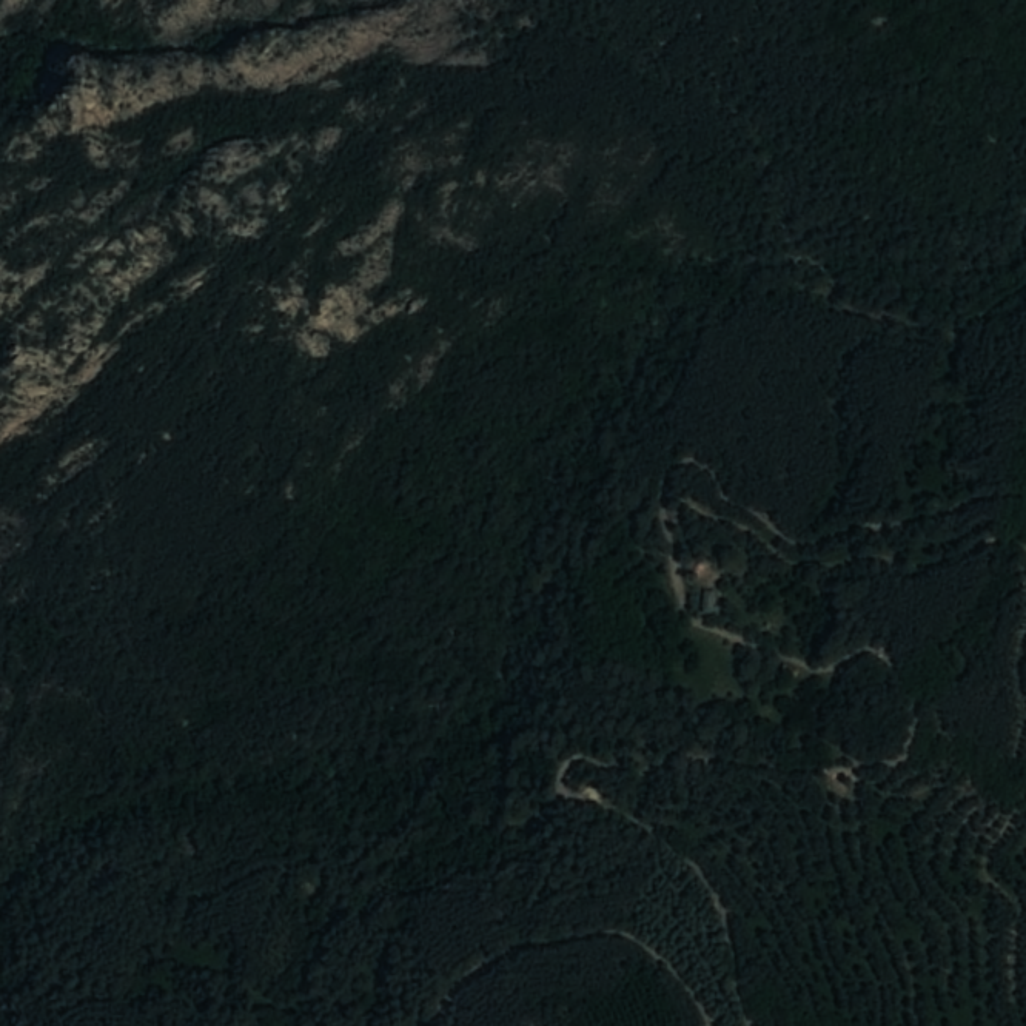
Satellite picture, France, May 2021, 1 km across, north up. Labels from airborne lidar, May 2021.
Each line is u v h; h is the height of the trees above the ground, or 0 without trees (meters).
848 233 21
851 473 15
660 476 16
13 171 13
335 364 7
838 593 29
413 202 6
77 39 17
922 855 22
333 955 38
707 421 26
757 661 21
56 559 16
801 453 25
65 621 21
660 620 22
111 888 41
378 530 17
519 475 15
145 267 7
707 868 19
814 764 13
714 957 20
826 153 6
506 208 6
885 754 22
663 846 22
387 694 19
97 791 31
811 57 20
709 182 14
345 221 12
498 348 20
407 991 30
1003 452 20
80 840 19
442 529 18
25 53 20
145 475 18
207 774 28
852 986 20
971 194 7
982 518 22
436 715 13
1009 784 16
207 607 14
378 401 14
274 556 17
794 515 27
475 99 21
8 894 24
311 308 7
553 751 25
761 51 11
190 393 17
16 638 21
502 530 23
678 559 10
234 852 24
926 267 21
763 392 22
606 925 22
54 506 19
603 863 26
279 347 12
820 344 23
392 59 6
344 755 27
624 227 6
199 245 17
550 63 23
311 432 13
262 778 21
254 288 7
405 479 21
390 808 29
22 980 16
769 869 15
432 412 16
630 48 16
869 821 22
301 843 20
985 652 20
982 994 19
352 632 16
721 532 26
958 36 17
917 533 27
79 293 7
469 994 20
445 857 14
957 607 21
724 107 11
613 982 21
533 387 22
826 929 18
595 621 23
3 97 14
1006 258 28
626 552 20
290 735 19
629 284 28
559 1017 12
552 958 22
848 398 24
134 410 15
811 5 23
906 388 24
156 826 33
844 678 15
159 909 30
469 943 22
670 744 17
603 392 16
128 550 15
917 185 6
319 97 13
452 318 6
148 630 18
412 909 16
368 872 22
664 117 13
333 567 18
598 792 26
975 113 12
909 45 22
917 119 17
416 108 6
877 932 10
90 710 10
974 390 15
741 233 26
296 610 20
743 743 22
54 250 9
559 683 19
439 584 24
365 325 9
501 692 27
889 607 23
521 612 15
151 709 27
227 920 22
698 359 21
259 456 6
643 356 20
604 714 28
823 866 22
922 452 20
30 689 21
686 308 12
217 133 12
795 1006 21
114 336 6
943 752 13
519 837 17
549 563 29
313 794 23
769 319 21
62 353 8
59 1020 25
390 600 25
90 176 12
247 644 23
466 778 18
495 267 17
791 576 7
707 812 22
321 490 14
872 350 24
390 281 8
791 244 21
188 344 15
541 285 14
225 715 17
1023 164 13
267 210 14
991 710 21
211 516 18
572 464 25
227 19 10
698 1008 22
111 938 37
